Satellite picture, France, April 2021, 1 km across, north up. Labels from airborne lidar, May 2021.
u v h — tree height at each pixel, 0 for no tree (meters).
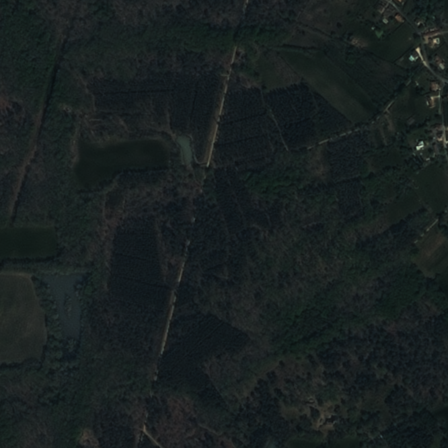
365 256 21
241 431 25
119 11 16
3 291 0
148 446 18
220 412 20
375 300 20
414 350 6
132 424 15
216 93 11
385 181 8
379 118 16
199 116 13
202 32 24
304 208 10
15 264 17
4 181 14
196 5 22
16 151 15
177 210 21
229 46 23
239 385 22
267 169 13
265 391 25
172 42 26
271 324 20
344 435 24
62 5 12
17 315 0
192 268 11
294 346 27
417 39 15
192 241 20
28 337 0
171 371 16
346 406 19
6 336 0
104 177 0
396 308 22
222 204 12
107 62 19
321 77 0
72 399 19
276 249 14
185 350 17
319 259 14
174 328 16
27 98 20
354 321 22
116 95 16
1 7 20
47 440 17
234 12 7
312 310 6
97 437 20
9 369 21
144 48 20
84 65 18
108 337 20
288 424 23
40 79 21
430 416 26
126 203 6
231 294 10
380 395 6
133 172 14
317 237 18
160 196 8
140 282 17
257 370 19
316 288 13
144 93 14
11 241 0
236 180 14
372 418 20
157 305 17
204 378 17
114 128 11
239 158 14
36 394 17
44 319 0
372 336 15
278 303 16
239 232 8
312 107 16
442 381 10
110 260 20
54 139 22
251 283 11
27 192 19
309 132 16
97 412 16
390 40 0
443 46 0
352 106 0
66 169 21
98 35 17
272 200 15
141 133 7
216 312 10
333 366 25
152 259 17
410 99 0
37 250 0
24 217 22
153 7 14
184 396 13
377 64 12
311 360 11
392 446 20
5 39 20
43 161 19
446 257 0
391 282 12
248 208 11
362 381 21
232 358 10
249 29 24
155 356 7
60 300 0
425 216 14
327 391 16
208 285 16
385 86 7
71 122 24
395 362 22
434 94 0
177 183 13
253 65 20
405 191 13
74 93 20
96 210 27
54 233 0
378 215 10
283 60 10
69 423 20
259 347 21
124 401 14
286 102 17
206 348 17
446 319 15
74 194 20
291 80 8
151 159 0
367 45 0
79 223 25
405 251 18
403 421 15
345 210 13
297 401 18
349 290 18
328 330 13
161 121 9
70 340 12
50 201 21
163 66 21
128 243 18
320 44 0
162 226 9
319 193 18
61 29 13
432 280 10
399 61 0
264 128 15
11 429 16
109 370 17
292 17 14
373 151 8
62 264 21
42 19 23
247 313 12
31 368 16
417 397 13
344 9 0
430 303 16
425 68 14
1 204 11
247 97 17
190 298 15
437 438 22
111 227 14
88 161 0
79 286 15
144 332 16
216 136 0
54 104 20
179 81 15
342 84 0
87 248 27
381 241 16
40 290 19
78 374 18
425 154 0
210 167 7
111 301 16
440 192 0
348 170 16
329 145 11
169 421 8
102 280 18
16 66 19
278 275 12
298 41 0
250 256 16
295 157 17
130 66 14
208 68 10
